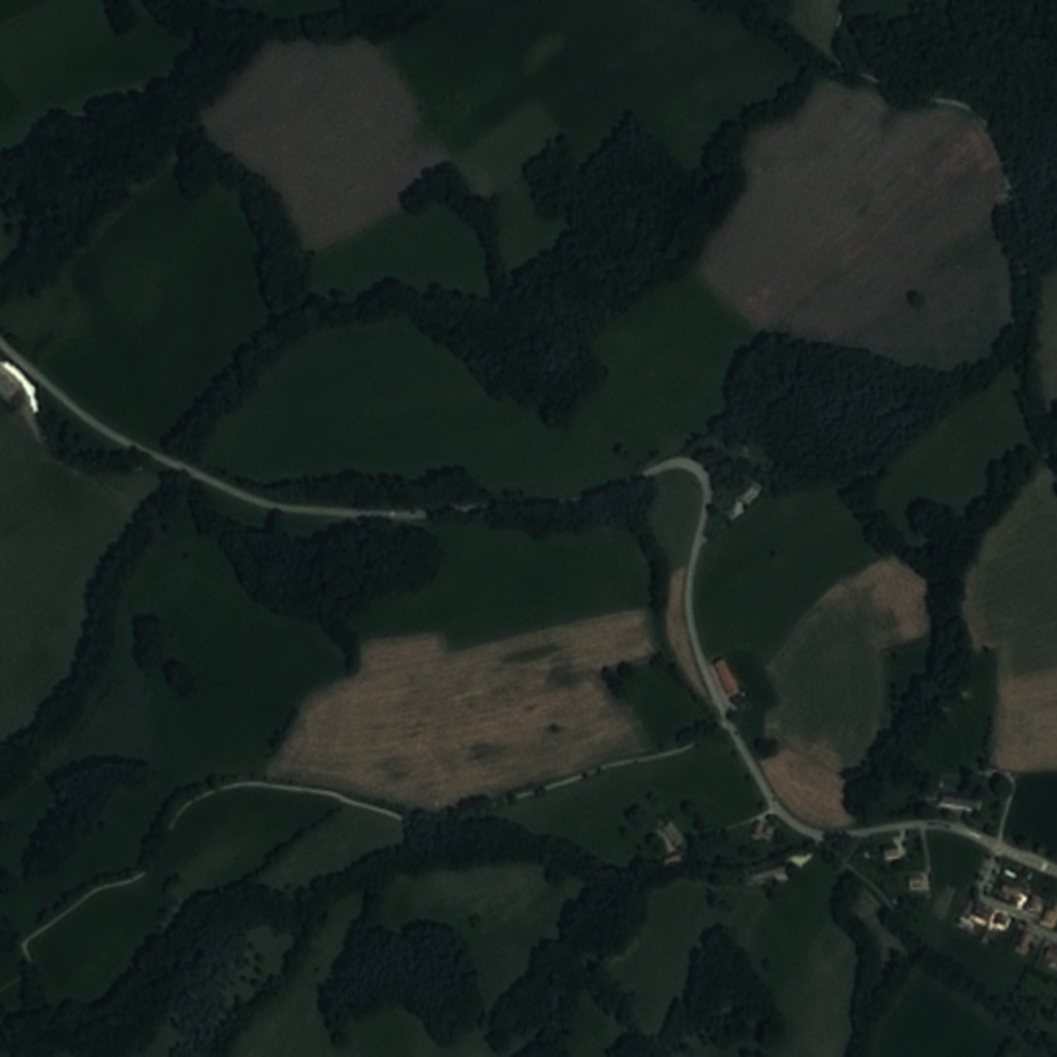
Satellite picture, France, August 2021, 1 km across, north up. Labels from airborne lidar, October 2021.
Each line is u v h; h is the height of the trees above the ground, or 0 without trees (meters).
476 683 0
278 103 0
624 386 0
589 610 0
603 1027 0
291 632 0
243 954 15
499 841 25
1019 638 0
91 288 0
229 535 19
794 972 0
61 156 33
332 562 31
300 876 0
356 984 31
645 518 15
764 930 0
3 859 0
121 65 0
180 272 0
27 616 0
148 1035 17
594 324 23
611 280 22
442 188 27
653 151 19
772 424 19
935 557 26
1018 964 0
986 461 0
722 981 23
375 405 0
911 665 0
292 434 0
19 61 0
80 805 26
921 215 0
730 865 8
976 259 0
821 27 0
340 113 0
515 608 0
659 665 12
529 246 0
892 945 0
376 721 0
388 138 0
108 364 0
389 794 0
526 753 0
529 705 0
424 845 26
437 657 0
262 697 0
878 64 15
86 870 0
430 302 25
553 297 32
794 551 0
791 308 0
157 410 0
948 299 0
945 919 0
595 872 26
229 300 0
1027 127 19
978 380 17
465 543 0
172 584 0
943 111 0
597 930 27
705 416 0
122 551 21
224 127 0
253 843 0
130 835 0
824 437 11
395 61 0
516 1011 21
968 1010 0
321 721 0
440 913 0
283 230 30
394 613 0
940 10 13
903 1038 0
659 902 0
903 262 0
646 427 0
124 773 24
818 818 0
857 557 0
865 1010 19
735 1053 0
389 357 0
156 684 0
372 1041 0
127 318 0
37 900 0
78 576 0
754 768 0
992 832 11
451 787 0
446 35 0
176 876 10
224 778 9
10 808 0
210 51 27
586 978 20
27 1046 29
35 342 0
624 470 0
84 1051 20
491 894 0
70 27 0
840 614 0
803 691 0
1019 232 15
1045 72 22
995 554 0
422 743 0
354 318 17
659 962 0
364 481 27
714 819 0
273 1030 0
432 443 0
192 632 0
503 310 25
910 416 17
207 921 21
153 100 20
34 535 0
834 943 0
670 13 0
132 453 9
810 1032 0
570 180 19
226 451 0
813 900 0
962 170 0
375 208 0
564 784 0
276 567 25
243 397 20
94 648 23
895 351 0
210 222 0
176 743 0
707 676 0
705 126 0
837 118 0
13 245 0
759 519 0
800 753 0
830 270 0
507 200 0
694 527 0
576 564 0
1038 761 0
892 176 0
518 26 0
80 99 0
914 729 27
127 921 0
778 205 0
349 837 0
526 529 15
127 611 0
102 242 0
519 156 0
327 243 0
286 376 0
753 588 0
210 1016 17
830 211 0
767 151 0
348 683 0
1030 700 0
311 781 0
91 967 0
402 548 26
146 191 0
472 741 0
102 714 0
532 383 24
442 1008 25
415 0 23
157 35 0
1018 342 25
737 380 17
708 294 0
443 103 0
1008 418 0
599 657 0
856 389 13
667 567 10
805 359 20
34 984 15
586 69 0
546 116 0
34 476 0
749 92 0
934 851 0
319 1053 0
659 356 0
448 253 0
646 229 21
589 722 0
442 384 0
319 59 0
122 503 0
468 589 0
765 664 0
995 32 22
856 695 0
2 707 0
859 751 0
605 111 0
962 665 25
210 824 0
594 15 0
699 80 0
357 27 25
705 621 0
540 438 0
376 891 20
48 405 21
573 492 0
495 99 0
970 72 15
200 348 0
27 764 26
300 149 0
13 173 31
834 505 0
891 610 0
